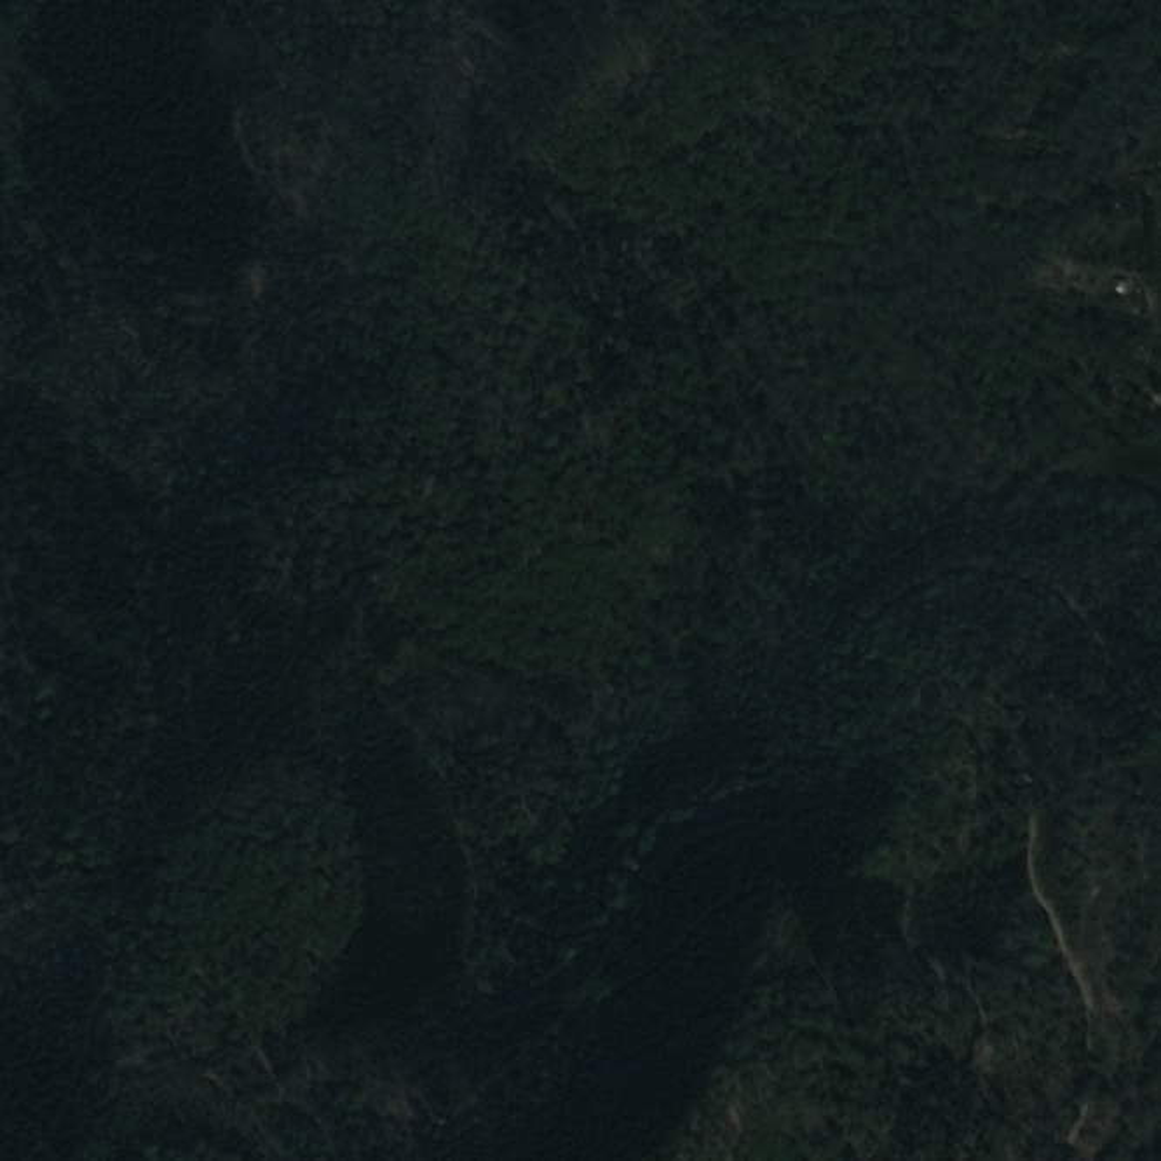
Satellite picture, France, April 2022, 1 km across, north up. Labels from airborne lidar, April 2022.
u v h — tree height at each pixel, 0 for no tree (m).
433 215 14
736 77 21
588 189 22
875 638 20
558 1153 22
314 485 22
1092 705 27
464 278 18
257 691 26
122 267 24
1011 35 16
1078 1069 21
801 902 17
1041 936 13
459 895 18
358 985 23
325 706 20
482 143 32
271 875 20
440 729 20
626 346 28
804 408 26
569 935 27
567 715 21
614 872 22
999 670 22
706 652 23
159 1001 15
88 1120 9
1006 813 28
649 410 34
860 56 19
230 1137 15
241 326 18
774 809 22
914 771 17
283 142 14
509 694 21
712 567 14
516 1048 29
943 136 17
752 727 24
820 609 16
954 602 18
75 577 17
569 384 26
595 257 30
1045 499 19
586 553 20
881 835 12
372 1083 23
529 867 33
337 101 21
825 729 24
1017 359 15
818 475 19
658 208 16
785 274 19
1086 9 11
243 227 26
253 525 18
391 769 16
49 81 18
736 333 33
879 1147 20
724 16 25
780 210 18
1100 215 7
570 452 21
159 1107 10
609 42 19
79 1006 21
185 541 27
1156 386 15
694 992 15
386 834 18
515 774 27
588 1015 18
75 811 11
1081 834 9
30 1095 24
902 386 9
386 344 15
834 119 23
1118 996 12
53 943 11
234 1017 18
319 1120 21
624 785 19
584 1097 21
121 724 17
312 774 24
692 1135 17
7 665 27
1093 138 29
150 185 30
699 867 15
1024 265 24
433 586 17
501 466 22
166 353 20
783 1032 12
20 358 19
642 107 15
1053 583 21
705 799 14
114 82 26
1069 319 8
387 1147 27
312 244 20
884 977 31
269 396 9
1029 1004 26
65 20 27
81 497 21
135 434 18
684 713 24
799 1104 23
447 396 17
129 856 12
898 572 28
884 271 23
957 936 15
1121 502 23
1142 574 24
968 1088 27
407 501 18
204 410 13
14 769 20
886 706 18
